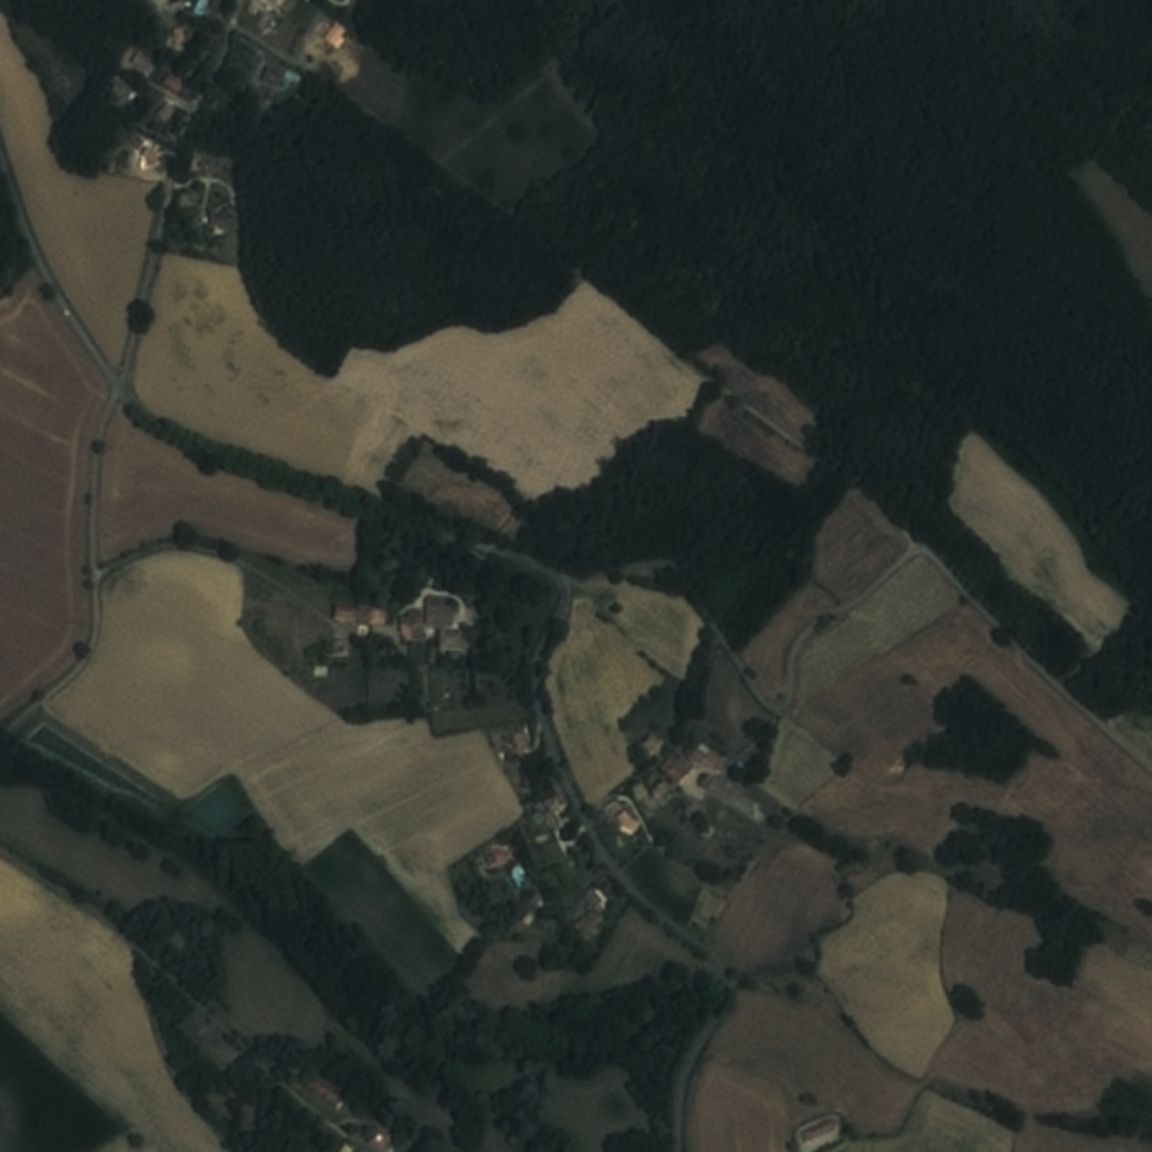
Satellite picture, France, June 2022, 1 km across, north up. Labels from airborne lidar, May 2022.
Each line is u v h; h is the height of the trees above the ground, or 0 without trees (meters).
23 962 0
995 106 15
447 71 14
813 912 0
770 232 22
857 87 16
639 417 0
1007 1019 0
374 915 0
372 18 15
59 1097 0
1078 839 0
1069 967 17
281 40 0
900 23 20
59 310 0
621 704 0
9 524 0
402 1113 25
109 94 12
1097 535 16
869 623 0
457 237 14
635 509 16
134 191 0
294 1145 22
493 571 15
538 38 15
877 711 0
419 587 16
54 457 0
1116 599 0
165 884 0
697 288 16
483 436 0
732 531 16
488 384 0
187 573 0
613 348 0
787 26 20
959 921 0
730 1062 0
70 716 0
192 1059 9
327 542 0
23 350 0
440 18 21
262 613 0
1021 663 0
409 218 18
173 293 0
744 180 16
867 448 13
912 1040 0
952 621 0
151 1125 0
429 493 0
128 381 0
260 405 0
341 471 0
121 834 13
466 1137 22
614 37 19
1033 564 0
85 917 0
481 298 11
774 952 0
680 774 0
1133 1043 0
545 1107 26
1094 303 21
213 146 14
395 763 0
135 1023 0
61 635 0
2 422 0
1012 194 19
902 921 0
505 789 0
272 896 35
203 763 0
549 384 0
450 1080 30
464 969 15
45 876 9
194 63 10
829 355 15
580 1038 26
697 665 15
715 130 22
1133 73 21
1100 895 0
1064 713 0
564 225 7
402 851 0
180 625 0
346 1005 16
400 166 18
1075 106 19
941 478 21
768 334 22
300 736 0
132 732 0
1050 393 18
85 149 20
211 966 21
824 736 0
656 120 13
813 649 0
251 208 14
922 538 13
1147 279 0
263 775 0
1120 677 16
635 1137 13
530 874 8
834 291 22
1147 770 0
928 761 12
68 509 0
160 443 18
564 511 12
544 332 0
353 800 0
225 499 0
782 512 11
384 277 13
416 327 10
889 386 20
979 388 21
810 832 13
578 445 0
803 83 13
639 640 0
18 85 0
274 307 15
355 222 11
